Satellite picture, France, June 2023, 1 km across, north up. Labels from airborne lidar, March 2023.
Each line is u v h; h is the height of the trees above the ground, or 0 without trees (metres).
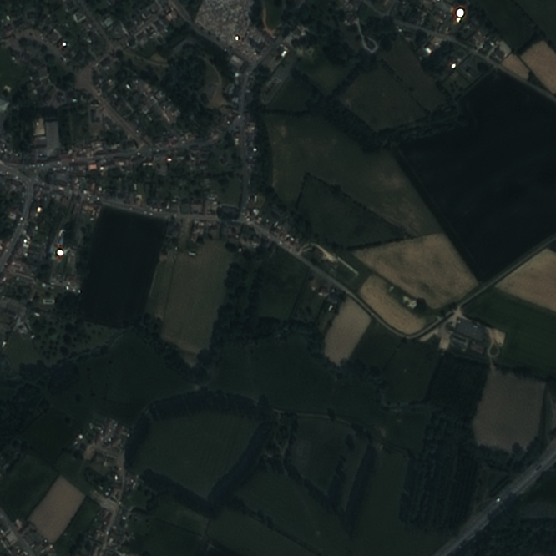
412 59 0
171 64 17
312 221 0
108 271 0
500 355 0
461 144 0
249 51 0
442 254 0
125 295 0
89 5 7
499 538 15
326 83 0
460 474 18
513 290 0
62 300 13
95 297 0
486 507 0
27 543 0
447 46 13
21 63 0
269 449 10
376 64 16
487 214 0
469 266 0
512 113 0
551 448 0
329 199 0
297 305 0
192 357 0
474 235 0
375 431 0
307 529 0
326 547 0
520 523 12
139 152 0
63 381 34
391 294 0
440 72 11
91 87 0
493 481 0
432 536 0
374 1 11
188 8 8
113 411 0
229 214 18
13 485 0
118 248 0
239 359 0
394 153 0
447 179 0
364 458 0
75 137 0
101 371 0
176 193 0
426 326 0
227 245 10
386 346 0
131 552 0
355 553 0
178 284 0
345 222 0
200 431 0
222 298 0
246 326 23
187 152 6
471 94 0
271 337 11
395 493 0
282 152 0
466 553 23
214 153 7
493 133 0
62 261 0
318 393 0
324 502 34
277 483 0
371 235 0
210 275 0
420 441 0
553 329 0
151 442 0
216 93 0
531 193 0
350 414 0
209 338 0
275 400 0
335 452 0
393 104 0
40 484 0
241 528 0
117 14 8
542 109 0
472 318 6
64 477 0
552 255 0
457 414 10
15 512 0
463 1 15
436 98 0
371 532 0
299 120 0
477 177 0
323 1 0
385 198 0
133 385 0
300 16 9
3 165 0
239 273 21
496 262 0
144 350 0
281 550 0
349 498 0
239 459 0
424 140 0
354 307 0
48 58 12
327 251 0
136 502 0
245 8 0
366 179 0
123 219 0
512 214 0
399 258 0
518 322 0
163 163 0
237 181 0
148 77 17
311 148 0
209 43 10
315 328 13
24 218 0
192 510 0
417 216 0
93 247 0
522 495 7
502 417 0
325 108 14
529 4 0
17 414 10
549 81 0
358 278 0
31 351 0
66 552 0
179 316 0
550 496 0
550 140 0
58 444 0
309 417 0
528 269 0
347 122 15
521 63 0
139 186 0
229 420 0
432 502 37
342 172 0
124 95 6
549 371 0
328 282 0
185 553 0
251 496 0
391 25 21
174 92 9
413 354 0
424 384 0
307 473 0
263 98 0
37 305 0
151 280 0
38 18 7
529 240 0
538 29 8
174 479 0
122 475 0
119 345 0
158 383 0
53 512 0
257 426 0
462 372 13
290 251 0
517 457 13
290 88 0
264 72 16
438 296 0
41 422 0
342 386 0
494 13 0
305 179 7
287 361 0
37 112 8
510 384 0
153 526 0
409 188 0
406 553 0
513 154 0
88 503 0
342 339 0
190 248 0
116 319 0
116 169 7
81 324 12
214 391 0
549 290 0
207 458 0
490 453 22
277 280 0
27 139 18
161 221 0
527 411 0
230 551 0
